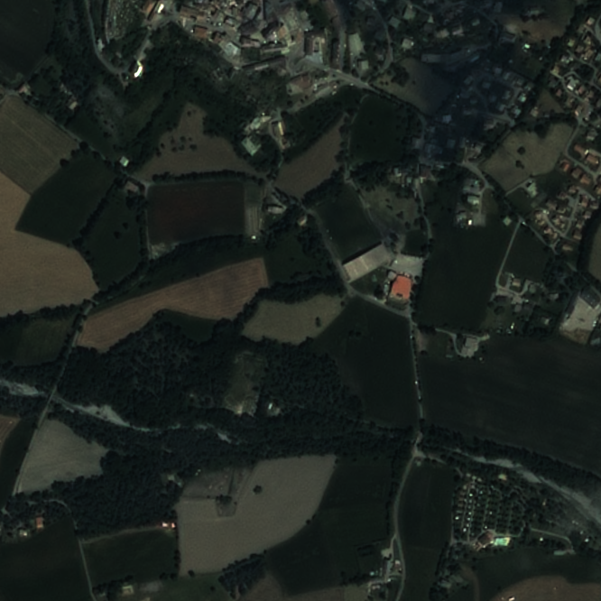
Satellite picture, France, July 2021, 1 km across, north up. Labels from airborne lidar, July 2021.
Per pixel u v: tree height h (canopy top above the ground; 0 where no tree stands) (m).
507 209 18
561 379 0
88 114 13
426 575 0
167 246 0
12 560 0
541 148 0
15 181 0
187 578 0
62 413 14
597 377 0
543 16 6
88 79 18
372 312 0
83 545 0
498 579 0
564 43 7
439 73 14
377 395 0
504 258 0
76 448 0
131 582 13
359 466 0
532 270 0
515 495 13
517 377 0
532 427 0
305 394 12
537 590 0
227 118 10
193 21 0
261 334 0
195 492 0
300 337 0
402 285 0
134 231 0
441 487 0
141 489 10
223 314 0
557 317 7
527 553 0
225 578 17
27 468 0
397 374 0
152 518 14
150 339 9
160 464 17
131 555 0
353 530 0
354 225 0
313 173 0
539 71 0
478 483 8
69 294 0
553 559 0
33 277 0
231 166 0
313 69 0
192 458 14
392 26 13
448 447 9
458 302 0
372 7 0
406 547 0
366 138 0
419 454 0
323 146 0
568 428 0
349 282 0
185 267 0
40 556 0
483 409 0
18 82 0
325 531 0
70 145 0
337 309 0
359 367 0
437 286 0
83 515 16
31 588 0
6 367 19
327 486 0
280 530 0
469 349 0
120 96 6
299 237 12
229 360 9
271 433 12
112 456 22
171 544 0
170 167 0
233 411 9
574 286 13
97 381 19
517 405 0
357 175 18
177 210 0
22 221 0
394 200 0
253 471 0
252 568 22
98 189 0
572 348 0
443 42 7
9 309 0
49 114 8
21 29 0
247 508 0
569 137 0
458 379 0
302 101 6
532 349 0
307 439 10
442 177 14
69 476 0
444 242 0
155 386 14
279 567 0
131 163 15
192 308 0
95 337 0
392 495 11
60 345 0
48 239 0
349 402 10
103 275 0
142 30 8
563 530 9
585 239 20
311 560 0
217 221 0
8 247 0
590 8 15
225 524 0
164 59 13
